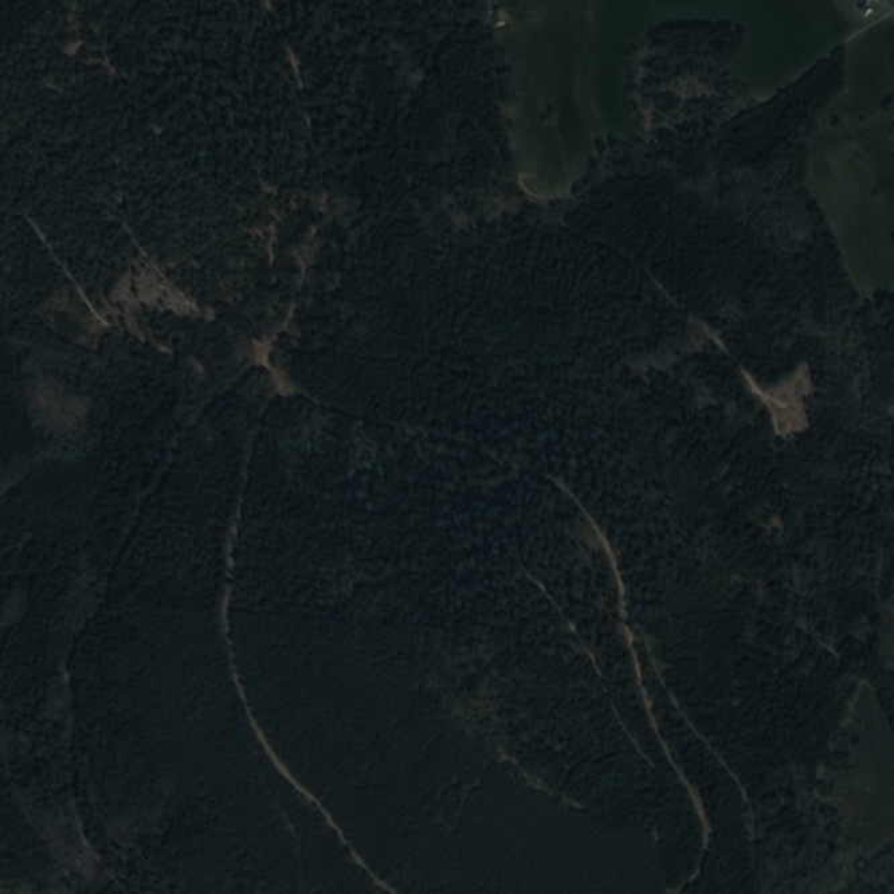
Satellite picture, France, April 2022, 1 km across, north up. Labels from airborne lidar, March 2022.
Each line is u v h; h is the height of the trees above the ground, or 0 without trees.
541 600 27
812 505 14
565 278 22
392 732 14
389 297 21
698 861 17
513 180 24
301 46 26
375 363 20
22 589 24
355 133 36
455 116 20
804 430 0
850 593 18
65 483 19
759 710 16
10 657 18
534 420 17
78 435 17
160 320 12
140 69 22
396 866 10
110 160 19
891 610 28
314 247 13
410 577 12
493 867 16
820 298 17
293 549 13
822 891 29
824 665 17
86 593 17
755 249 24
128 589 19
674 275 23
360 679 16
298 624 14
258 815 15
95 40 12
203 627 16
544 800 18
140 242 18
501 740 15
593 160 0
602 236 23
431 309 17
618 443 16
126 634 24
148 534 14
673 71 13
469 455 19
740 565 12
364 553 11
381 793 11
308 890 14
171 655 18
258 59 9
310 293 19
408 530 14
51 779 29
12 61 18
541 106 0
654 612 30
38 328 26
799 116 14
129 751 18
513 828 17
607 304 14
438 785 12
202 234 12
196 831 10
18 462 19
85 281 19
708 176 18
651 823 15
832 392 21
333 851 15
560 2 0
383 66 12
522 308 17
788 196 18
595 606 15
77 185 21
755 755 19
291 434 14
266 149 30
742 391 19
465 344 15
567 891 17
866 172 0
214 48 31
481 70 24
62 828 27
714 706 13
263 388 21
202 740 12
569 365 14
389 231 24
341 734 14
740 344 18
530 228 19
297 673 13
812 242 13
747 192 23
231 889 12
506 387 13
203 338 8
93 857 24
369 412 16
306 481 15
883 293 0
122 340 24
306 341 14
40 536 15
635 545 30
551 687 14
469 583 14
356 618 14
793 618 9
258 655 14
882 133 0
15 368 19
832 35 0
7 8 16
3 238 29
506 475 16
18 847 28
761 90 0
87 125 21
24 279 18
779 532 11
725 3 0
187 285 13
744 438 20
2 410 19
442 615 17
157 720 16
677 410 16
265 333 22
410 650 10
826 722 17
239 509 12
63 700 26
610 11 0
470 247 18
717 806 16
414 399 12
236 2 38
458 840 12
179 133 23
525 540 9
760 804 21
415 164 19
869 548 33
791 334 13
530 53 0
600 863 15
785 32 0
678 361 20
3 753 28
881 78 0
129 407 26
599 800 11
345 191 7
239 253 15
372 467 20
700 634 16
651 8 0
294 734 13
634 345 12
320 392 15
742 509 20
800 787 25
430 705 12
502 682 11
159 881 26
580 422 15
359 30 35
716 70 13
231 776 12
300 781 9
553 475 14
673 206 19
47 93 12
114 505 18
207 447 15
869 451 27
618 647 13
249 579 7
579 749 13
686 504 6
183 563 11
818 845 32
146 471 14
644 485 28
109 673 18
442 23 24
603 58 0
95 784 17
